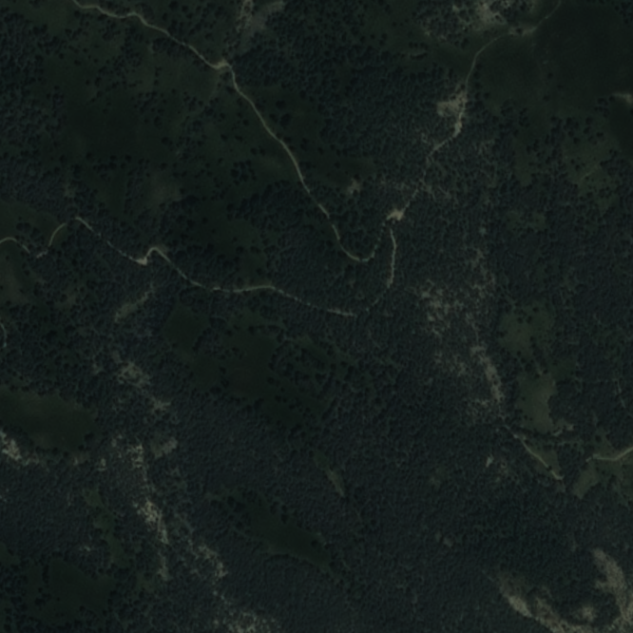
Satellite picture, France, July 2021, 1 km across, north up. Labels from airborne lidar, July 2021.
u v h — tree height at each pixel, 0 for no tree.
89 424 0
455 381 12
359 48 26
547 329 0
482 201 7
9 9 7
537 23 0
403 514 13
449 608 10
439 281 10
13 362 16
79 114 0
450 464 9
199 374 0
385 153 17
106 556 12
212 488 16
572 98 0
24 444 7
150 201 0
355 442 13
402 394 14
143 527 14
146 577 9
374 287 17
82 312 10
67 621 0
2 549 0
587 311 15
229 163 0
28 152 11
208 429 11
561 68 0
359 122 17
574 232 12
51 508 9
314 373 0
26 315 14
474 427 8
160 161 0
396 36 0
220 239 0
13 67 21
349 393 6
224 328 23
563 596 7
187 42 15
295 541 0
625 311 16
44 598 11
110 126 0
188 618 14
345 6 10
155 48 14
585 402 11
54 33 0
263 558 8
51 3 0
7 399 0
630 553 12
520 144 0
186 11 15
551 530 18
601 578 13
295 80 12
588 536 15
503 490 16
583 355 14
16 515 12
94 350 13
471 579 9
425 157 13
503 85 0
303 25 13
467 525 18
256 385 0
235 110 0
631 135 0
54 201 14
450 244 13
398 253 14
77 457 0
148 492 7
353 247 19
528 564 23
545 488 15
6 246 0
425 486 12
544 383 0
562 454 8
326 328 15
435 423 9
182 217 7
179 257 19
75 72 0
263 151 15
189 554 8
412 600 17
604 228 14
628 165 14
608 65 0
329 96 15
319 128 0
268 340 0
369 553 14
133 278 9
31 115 11
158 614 12
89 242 15
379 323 15
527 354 0
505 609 10
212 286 9
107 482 9
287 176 0
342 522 17
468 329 8
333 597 8
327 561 0
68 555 14
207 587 6
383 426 11
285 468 14
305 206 16
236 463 10
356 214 16
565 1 0
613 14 0
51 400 0
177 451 7
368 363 8
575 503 12
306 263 17
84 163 0
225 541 12
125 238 11
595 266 14
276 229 12
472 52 0
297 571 13
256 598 13
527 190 13
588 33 0
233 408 9
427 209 10
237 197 0
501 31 0
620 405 14
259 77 19
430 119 8
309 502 14
